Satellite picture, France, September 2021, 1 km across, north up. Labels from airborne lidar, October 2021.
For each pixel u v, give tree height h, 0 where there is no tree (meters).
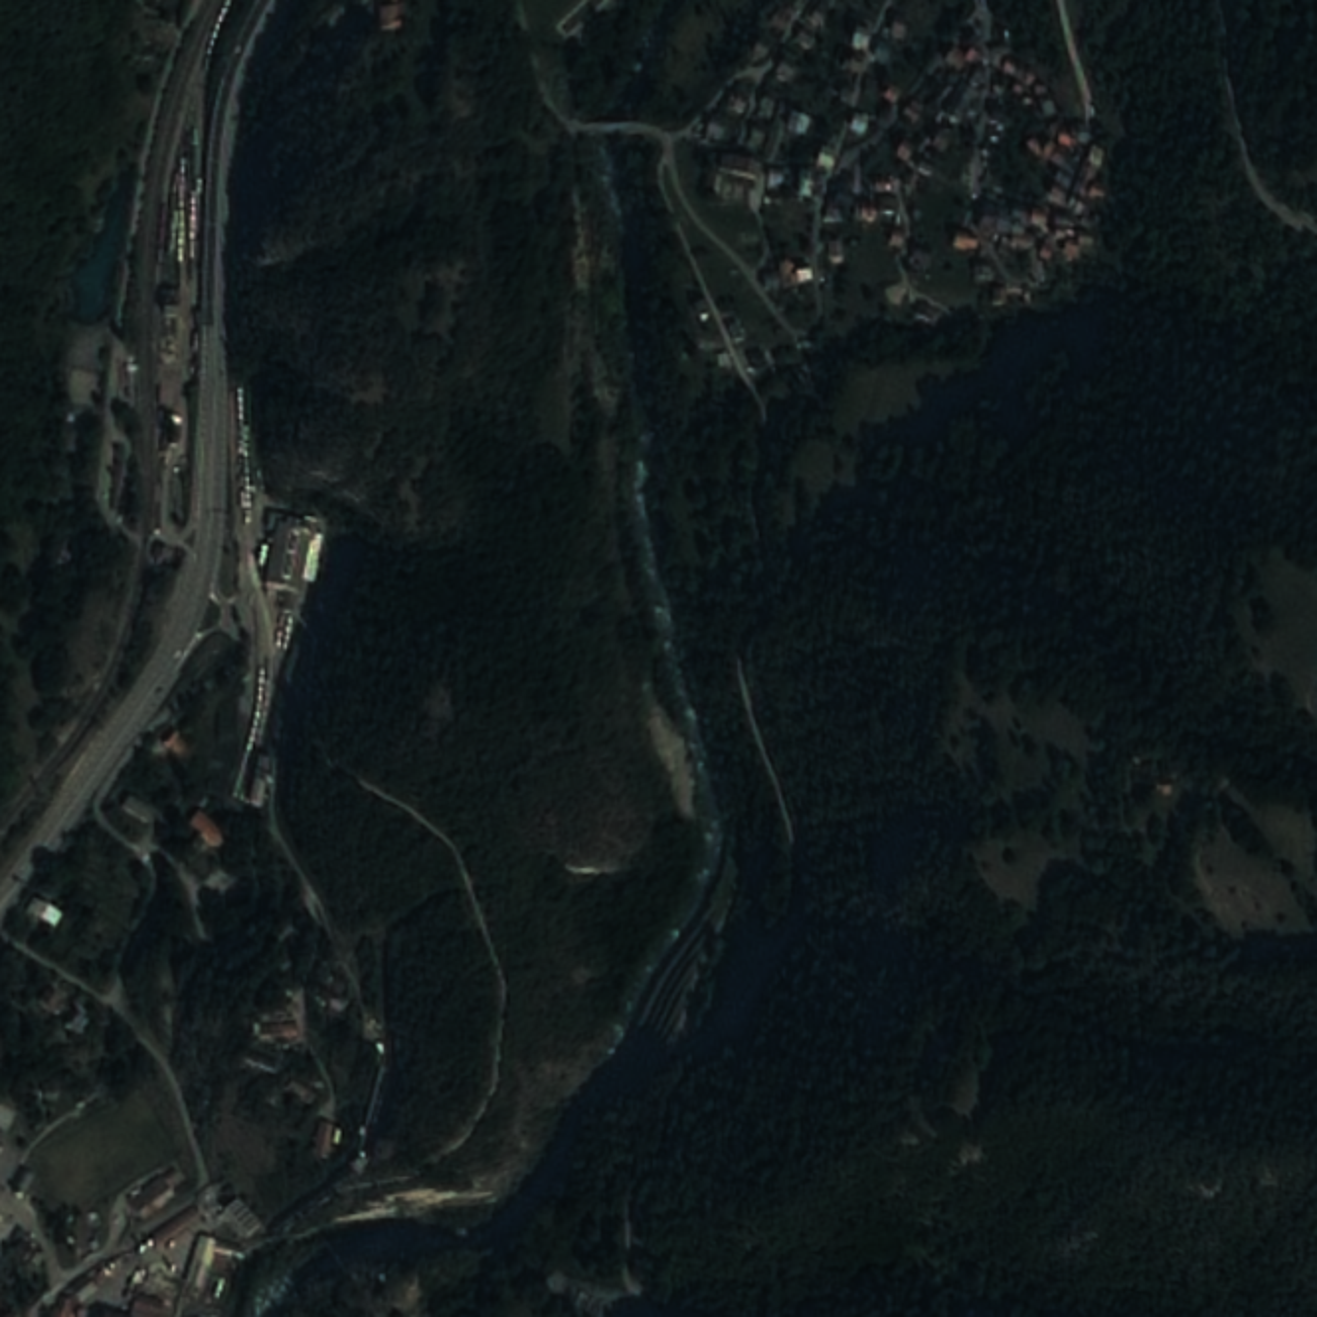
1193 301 26
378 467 8
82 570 20
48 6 15
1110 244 8
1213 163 15
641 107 21
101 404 12
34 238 16
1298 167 12
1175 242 16
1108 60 10
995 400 15
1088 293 12
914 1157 12
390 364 9
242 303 9
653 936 17
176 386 0
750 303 0
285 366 9
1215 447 20
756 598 22
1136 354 19
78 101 15
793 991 22
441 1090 7
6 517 19
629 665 16
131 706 0
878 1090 19
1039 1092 15
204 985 12
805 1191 12
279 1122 6
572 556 16
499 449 20
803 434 6
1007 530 27
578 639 17
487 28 22
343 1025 6
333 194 15
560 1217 29
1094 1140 9
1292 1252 12
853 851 11
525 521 25
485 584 28
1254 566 11
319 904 0
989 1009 29
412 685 14
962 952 25
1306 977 22
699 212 0
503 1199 11
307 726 13
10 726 12
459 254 8
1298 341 21
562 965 10
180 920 15
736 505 10
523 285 23
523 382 16
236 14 8
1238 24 15
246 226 13
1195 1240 11
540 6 0
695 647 15
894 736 11
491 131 21
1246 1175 10
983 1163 9
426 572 28
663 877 23
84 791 0
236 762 0
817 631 11
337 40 14
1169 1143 8
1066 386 15
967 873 12
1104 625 31
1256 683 8
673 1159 21
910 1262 12
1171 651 16
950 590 17
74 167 18
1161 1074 33
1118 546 11
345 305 10
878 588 14
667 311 18
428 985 12
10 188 13
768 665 11
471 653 14
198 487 0
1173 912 14
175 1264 0
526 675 20
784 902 18
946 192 0
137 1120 0
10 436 17
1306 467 27
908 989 21
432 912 12
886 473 19
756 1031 21
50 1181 0
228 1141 0
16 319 11
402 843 12
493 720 11
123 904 0
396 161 10
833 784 12
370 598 23
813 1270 19
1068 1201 8
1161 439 20
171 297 0
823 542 20
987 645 19
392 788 10
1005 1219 16
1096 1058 32
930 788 17
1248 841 18
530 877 9
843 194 0
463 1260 7
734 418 21
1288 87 17
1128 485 25
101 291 0
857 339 8
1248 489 20
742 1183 20
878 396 0
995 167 8
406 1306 0
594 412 16
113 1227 0
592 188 9
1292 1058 32
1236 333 33
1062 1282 18
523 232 22
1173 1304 18
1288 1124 19
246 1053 11
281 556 0
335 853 7
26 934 8
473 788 11
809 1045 23
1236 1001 13
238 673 11
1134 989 11
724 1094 15
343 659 13
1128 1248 13
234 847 13
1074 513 15
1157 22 12
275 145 11
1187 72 16
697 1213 13
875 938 18
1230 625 11
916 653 11
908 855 10
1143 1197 13
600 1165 21
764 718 6
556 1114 12
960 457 17
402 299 12
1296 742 18
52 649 17
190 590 0
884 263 0
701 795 8
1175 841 13
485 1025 12
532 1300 19
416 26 8
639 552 24
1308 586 0
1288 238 11
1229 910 0
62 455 8
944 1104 10
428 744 8
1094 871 14
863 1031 14
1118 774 12
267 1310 0
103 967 6
